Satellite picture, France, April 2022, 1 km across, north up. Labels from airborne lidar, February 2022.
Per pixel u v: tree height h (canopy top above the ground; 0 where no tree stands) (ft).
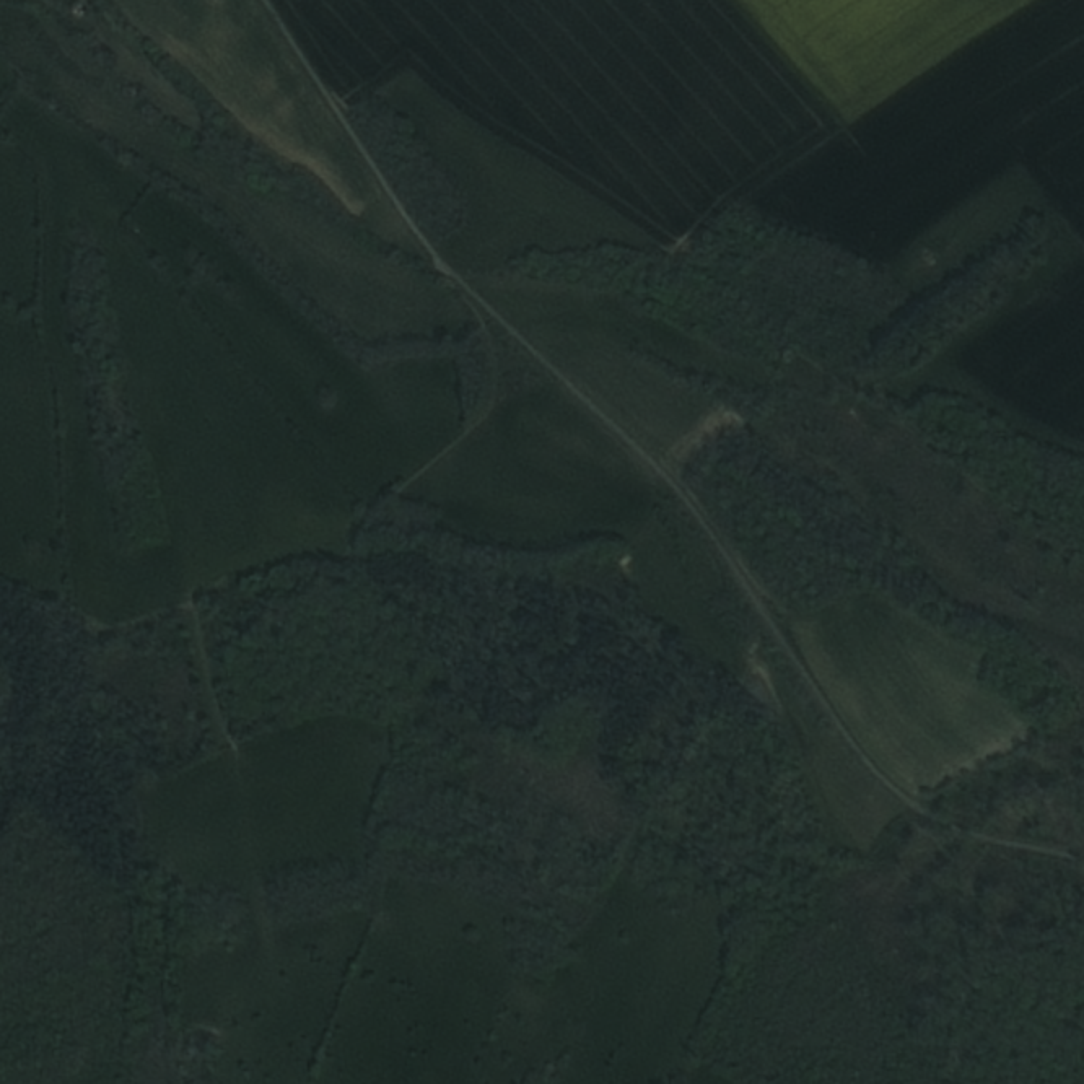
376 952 0
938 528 0
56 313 0
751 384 0
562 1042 0
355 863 0
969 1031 84
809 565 65
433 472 0
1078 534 67
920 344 69
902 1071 40
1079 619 0
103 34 0
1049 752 87
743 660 0
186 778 0
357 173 0
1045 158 0
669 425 0
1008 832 64
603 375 0
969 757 0
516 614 65
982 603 0
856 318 55
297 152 0
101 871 75
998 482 65
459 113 0
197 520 0
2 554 0
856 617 0
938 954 89
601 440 0
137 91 33
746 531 56
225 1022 0
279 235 0
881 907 0
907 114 0
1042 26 0
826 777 0
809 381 0
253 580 42
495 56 0
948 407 63
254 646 77
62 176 0
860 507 81
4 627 72
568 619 91
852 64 0
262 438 0
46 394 0
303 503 0
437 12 0
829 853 89
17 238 0
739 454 56
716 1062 48
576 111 0
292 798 0
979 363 0
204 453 0
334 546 0
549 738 84
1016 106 0
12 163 0
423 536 64
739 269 51
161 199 0
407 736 52
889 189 0
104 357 50
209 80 0
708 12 0
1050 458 62
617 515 0
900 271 0
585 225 0
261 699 76
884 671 0
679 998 0
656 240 0
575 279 41
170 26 0
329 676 85
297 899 78
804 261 47
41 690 76
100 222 0
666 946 0
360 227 27
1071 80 0
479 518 0
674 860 80
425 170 64
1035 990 83
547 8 0
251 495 0
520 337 0
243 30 0
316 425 0
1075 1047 90
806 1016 44
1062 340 0
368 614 85
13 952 25
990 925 90
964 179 0
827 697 0
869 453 0
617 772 67
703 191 0
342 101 0
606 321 0
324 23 0
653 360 30
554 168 0
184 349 0
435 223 55
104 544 0
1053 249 0
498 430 0
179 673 0
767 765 66
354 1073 0
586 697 66
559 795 0
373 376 0
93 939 39
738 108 0
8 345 0
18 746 79
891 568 41
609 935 0
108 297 41
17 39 0
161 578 0
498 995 0
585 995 0
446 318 0
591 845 36
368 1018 0
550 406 0
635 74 0
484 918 0
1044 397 0
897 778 0
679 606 0
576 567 82
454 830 66
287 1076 0
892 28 0
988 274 76
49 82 0
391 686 88
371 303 0
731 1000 37
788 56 0
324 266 0
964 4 0
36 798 80
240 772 0
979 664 0
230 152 52
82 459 0
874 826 0
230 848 0
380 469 0
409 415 0
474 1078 0
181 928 73
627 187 0
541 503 0
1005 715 0
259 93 0
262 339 0
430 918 0
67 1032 28
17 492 0
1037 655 79
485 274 0
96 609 0
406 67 0
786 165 0
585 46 0
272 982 0
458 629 75
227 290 35
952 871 96
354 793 0
